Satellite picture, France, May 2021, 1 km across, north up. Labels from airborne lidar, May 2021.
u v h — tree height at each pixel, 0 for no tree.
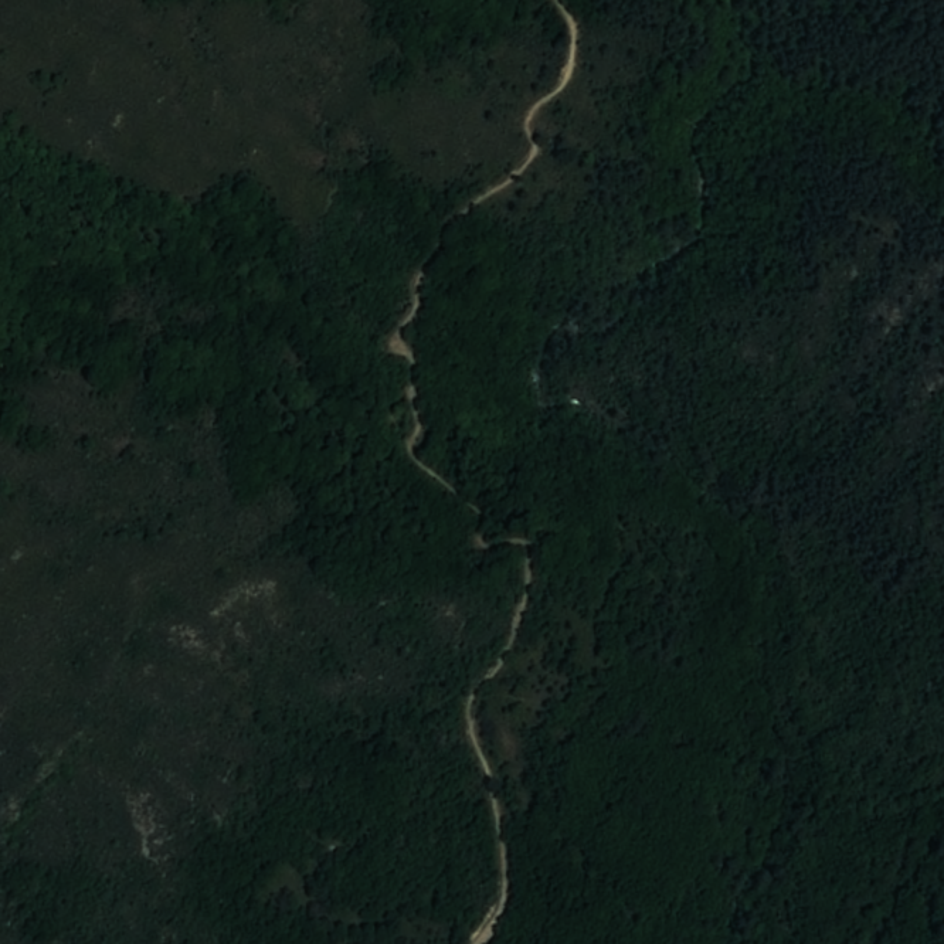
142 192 23
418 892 22
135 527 6
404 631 12
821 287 16
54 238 29
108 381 26
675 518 21
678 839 18
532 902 16
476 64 7
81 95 0
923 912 23
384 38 6
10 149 25
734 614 29
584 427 18
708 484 7
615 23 7
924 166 29
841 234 26
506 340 26
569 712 15
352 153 13
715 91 20
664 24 6
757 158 16
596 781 19
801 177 16
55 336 23
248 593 0
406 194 15
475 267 30
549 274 20
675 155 21
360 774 16
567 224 7
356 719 14
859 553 18
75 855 6
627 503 25
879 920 13
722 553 29
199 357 30
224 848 13
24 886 11
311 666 6
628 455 14
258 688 6
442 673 7
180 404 13
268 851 18
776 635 13
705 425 12
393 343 0
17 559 0
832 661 10
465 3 26
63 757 8
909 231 20
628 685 15
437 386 18
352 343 24
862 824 11
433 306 22
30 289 17
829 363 12
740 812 11
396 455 28
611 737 25
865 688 16
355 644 9
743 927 34
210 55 6
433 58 13
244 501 13
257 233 16
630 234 16
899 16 43
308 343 17
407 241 14
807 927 16
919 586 12
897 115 26
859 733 8
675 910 15
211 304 7
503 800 13
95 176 23
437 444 24
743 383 16
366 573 14
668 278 10
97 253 27
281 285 28
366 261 23
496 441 31
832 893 21
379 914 14
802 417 14
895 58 41
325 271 9
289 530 16
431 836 16
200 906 9
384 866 21
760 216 23
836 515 17
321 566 16
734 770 21
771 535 13
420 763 10
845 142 18
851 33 39
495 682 6
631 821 19
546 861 22
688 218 34
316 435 27
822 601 10
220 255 15
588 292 23
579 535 27
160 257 11
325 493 27
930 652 12
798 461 22
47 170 30
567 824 19
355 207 14
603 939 20
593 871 20
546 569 22
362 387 26
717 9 24
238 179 13
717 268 9
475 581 20
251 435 27
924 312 10
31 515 7
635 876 15
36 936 14
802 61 34
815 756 18
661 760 19
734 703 19
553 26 16
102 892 12
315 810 13
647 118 16
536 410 21
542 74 9
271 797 9
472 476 22
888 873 24
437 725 16
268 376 29
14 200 33
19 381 12
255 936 10
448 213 14
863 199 29
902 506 8
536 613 11
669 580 22
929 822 23
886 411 14
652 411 12
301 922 19
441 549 18
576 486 26
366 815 20
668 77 25
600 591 21
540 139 20
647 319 11
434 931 9
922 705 8
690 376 11
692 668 16
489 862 13
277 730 15
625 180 23
